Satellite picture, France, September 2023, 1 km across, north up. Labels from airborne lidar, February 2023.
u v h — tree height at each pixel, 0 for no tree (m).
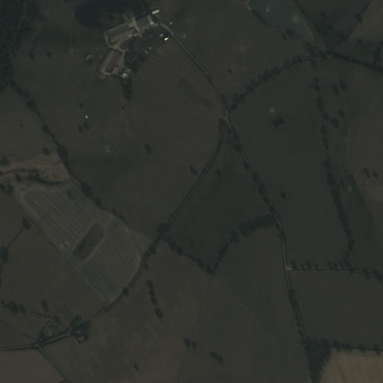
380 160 0
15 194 0
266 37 0
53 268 0
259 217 0
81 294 0
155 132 0
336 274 0
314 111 0
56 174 0
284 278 0
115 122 0
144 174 0
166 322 0
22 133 0
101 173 0
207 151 0
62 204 0
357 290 0
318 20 0
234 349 0
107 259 0
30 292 0
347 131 0
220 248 0
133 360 0
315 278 0
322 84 0
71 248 0
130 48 10
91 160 0
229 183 0
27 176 0
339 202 16
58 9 0
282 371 0
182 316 0
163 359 0
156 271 0
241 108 0
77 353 0
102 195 0
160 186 0
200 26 0
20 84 0
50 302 0
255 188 0
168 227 16
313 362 19
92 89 0
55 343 0
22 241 0
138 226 0
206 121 0
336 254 0
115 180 0
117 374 0
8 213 0
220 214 0
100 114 0
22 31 9
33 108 12
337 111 0
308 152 0
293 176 0
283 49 0
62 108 0
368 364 0
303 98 0
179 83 0
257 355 0
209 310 0
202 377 0
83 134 0
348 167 0
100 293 0
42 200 0
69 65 0
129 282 0
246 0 0
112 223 0
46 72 0
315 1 0
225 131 0
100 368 0
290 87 0
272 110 0
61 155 19
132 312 0
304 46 0
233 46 0
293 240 0
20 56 0
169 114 0
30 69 0
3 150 0
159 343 0
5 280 0
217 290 0
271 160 0
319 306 0
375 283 0
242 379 0
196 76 0
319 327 0
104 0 6
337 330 0
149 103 0
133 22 0
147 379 0
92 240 0
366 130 0
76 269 0
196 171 12
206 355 0
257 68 0
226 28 0
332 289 0
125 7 13
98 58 0
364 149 0
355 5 0
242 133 0
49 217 0
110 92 0
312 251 0
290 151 0
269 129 0
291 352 0
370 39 0
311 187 0
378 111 0
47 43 0
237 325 0
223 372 0
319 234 0
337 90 16
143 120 0
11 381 0
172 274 0
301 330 0
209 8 0
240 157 0
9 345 0
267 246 0
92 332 0
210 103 0
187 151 0
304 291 0
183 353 0
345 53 0
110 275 0
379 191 0
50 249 0
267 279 0
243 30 0
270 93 0
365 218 0
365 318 0
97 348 0
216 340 0
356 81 0
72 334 7
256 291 0
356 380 0
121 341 0
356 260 0
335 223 0
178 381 0
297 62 11
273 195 0
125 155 0
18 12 18
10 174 0
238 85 0
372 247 0
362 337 0
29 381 0
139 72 0
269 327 0
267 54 0
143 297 0
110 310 0
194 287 0
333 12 0
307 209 0
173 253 0
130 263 0
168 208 0
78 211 0
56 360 0
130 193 0
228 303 0
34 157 0
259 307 0
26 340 0
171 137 0
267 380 0
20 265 0
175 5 0
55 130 0
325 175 0
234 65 0
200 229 0
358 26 0
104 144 0
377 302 0
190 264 0
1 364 0
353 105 0
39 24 0
